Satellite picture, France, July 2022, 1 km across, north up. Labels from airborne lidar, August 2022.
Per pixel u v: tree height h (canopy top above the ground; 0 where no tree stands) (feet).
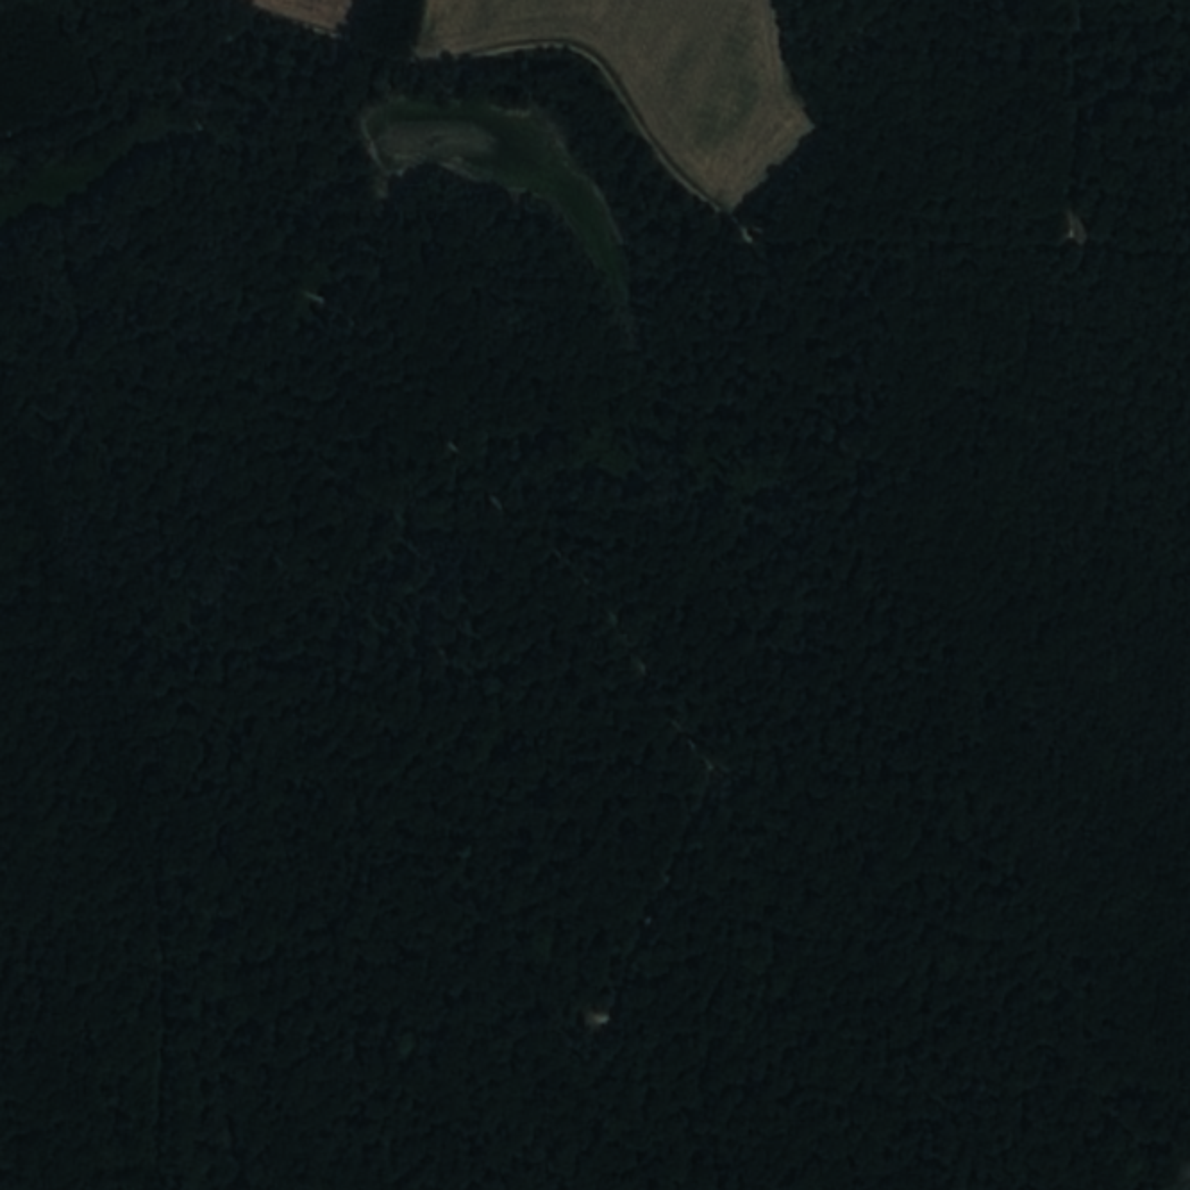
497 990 73
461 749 91
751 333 89
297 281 91
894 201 74
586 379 93
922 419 83
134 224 87
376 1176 80
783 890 80
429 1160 75
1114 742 72
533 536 76
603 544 61
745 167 0
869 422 94
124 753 73
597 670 81
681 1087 78
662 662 88
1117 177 78
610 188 65
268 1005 82
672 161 0
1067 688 69
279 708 65
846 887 62
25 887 85
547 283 93
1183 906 77
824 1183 90
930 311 74
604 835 72
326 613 83
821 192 72
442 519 77
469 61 32
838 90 52
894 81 77
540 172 0
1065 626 85
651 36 0
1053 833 78
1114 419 66
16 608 92
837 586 95
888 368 95
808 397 89
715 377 83
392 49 71
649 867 85
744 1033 82
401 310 89
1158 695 56
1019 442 68
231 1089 90
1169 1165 89
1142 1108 95
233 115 52
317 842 87
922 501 92
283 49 90
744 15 0
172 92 59
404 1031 89
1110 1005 92
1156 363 63
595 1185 68
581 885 84
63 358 89
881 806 79
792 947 88
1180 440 59
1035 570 77
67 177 0
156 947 63
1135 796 79
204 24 68
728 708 77
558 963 68
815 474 94
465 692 93
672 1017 92
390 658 85
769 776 84
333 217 97
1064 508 73
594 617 80
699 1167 81
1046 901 80
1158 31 91
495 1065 86
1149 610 35
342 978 86
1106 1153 85
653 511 78
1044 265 55
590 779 87
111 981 76
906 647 89
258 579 80
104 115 66
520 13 0
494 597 95
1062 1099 88
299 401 92
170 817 66
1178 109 81
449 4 0
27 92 37
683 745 79
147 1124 74
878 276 86
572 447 82
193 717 86
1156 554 61
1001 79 93
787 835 81
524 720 88
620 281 0
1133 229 74
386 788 89
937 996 90
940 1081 76
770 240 19
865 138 83
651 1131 77
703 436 71
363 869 63
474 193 70
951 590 88
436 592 66
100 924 74
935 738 91
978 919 92
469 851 64
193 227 74
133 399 77
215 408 90
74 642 75
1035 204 66
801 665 85
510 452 72
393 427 99
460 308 96
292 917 95
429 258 83
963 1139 54
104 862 70
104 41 68
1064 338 62
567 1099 72
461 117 0
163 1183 71
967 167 84
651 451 87
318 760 90
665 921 93
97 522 85
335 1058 83
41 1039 83
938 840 87
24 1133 73
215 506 74
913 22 72
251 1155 80
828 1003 72
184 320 83
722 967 69
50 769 74
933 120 68
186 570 78
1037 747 86
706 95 0
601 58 0
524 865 91
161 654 53
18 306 75
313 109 76
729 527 93
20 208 0
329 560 85
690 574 94
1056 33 65
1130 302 68
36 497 71
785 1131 75
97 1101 60
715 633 94
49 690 65
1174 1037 89
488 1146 88
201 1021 90
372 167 66
